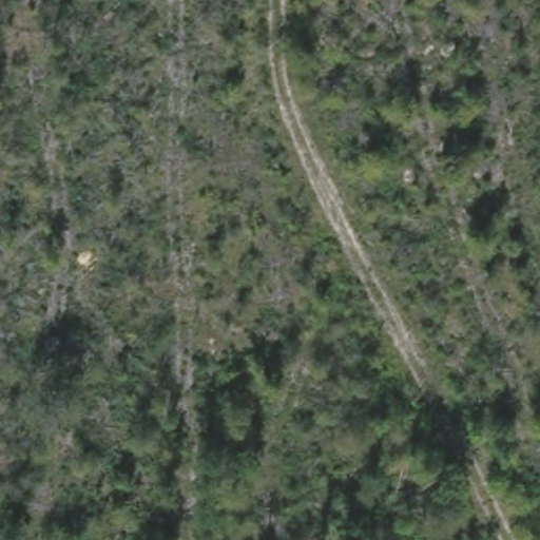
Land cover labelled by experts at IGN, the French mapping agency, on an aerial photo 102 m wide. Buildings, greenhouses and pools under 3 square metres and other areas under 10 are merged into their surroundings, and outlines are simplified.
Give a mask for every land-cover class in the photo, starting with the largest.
<instances>
[{"label":"deciduous trees","instance_id":"1","mask_svg":"<svg viewBox=\"0 0 540 540\"><path fill-rule=\"evenodd\" d=\"M270 42H274V53L287 59V74L293 86L295 103L310 131L314 148L319 150V156L323 158L325 169L333 179L340 198L344 200V213L352 230L356 232L361 247L375 266L380 281L386 285L392 302L401 310L407 331L416 335L420 352L426 359V365H422L420 369L424 386H418L413 382L407 365L403 363L399 350L392 344V338L384 331V321L375 316L361 278L350 272L342 243L329 226L325 211L321 209L316 194L306 179V173L300 165V156L291 146V137L281 120L278 105L274 99L268 68ZM477 451L491 456L487 466V494L500 500L504 513L510 517V527L517 532L519 540H540V0H0V540H498V517H489L485 523L477 519L481 513L477 508V502L473 500L468 477L473 468L470 458Z\"/></svg>","mask_w":540,"mask_h":540},{"label":"pervious surface","instance_id":"2","mask_svg":"<svg viewBox=\"0 0 540 540\"><path fill-rule=\"evenodd\" d=\"M268 68L274 99L278 105L281 120L291 137V146L300 156V165L306 173V179L316 194L321 209L325 211L329 226L342 243L350 272L361 278L375 316L384 321V331L392 338V344L399 350L403 363L407 365L413 382L418 386H424L420 369L422 365H426V359L420 352L416 335L407 331L401 310L392 302L386 285L380 281L375 266L361 247L356 232L352 230L344 213V200L340 198L333 179L325 169L323 158L319 156V150L314 148L310 131L295 103L293 86L287 74V59L274 53V42H270ZM473 468L468 477L473 500L477 502V508L481 513L477 519L485 523L489 517H498V540H519L517 532L510 527V517L504 513L500 500L487 494V466L491 456L477 451L470 458Z\"/></svg>","mask_w":540,"mask_h":540}]
</instances>
